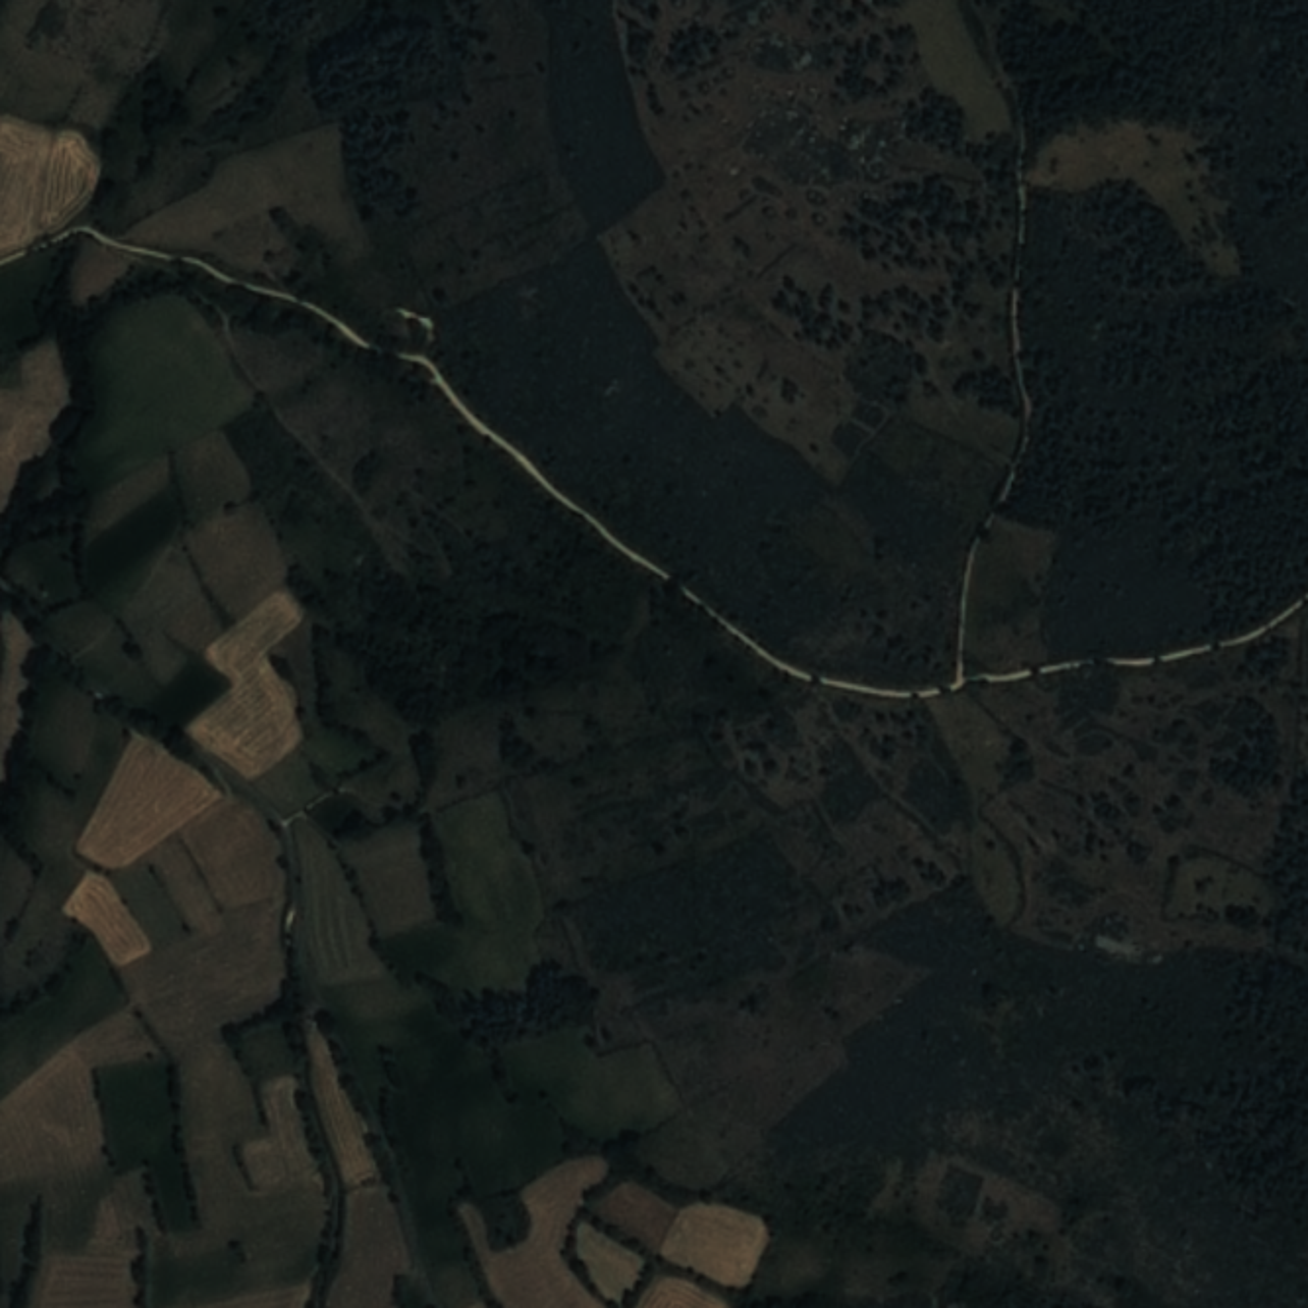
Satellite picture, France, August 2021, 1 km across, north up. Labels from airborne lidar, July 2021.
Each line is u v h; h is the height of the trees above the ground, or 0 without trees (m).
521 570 7
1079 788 0
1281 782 10
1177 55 15
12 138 0
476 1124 0
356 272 0
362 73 16
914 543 0
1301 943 11
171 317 0
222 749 0
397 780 0
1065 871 0
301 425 0
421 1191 0
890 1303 0
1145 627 0
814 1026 0
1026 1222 0
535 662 19
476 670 9
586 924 0
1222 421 12
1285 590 9
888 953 0
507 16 0
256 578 0
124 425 0
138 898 0
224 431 0
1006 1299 7
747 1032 0
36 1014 0
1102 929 0
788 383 10
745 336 0
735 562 0
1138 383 11
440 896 8
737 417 0
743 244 10
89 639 0
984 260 10
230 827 0
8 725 0
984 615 0
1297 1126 17
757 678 0
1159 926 0
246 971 0
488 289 0
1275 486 16
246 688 0
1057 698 0
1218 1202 0
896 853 0
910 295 11
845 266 0
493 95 0
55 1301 0
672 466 0
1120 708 0
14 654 0
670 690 0
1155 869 0
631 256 0
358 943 0
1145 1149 0
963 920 0
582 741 0
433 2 0
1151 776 0
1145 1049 0
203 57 0
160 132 13
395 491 0
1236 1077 10
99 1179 0
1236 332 12
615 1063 0
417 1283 0
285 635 0
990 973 0
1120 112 11
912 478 0
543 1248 0
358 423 0
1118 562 0
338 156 0
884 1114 0
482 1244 0
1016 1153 0
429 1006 0
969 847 0
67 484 14
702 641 0
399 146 10
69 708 0
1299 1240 0
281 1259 0
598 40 0
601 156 0
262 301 11
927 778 0
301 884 7
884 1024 0
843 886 0
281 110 0
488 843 0
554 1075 0
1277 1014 16
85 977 0
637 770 0
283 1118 0
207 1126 0
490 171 0
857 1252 0
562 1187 0
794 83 0
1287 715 0
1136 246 11
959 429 0
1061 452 12
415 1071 0
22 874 0
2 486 0
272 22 10
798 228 0
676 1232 0
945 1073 0
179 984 0
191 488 0
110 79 0
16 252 0
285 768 0
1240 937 0
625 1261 0
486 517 0
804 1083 0
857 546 0
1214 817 0
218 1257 0
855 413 0
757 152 0
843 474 0
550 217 0
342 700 0
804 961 0
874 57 10
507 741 9
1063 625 0
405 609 11
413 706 15
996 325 0
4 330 0
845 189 0
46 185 0
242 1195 0
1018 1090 0
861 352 0
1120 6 15
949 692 7
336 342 12
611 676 0
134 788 0
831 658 0
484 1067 0
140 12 0
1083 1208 9
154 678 0
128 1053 0
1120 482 9
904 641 6
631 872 0
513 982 0
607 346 0
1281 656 9
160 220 0
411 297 0
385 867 0
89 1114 0
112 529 0
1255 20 11
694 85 0
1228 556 12
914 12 0
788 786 0
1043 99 12
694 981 0
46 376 0
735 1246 0
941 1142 0
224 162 0
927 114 10
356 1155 0
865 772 0
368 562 0
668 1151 0
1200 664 0
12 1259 0
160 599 0
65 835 0
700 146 0
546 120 0
